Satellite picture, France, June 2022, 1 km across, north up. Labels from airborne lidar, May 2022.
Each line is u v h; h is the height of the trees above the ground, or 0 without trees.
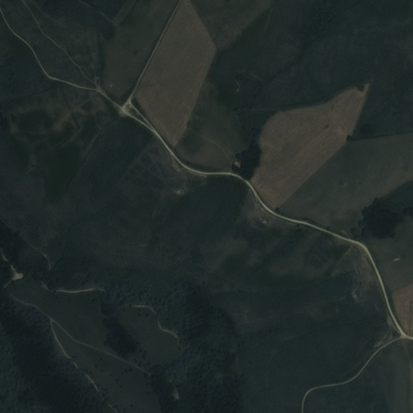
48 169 0
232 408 34
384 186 0
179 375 23
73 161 0
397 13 0
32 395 23
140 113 0
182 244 0
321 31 13
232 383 36
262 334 9
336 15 12
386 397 0
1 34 0
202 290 10
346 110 0
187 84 0
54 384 31
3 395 10
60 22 0
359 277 0
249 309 0
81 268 8
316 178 0
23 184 0
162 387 20
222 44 0
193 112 0
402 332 0
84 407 18
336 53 0
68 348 0
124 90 0
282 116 0
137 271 8
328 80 0
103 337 0
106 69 0
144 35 0
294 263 0
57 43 0
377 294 0
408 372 0
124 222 0
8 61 6
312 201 0
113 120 0
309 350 0
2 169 0
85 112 0
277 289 0
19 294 0
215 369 18
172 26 0
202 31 0
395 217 27
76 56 0
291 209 0
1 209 0
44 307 0
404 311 0
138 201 0
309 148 0
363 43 0
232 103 0
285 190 0
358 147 0
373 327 0
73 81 0
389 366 0
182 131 0
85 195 0
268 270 0
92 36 0
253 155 27
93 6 6
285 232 0
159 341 0
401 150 0
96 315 0
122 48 0
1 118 8
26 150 0
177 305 7
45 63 0
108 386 0
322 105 0
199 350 14
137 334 0
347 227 0
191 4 0
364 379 0
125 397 0
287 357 0
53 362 10
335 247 0
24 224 0
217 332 27
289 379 0
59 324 0
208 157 0
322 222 0
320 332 0
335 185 0
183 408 19
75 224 6
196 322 28
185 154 0
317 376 0
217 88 0
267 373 0
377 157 0
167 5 0
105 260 0
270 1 0
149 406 0
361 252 0
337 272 0
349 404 0
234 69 0
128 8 0
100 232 0
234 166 10
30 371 32
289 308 0
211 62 0
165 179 0
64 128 0
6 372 13
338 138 0
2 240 12
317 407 0
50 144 0
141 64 0
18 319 29
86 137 0
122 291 20
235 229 0
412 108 0
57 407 32
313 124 0
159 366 6
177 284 16
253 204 0
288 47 0
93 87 0
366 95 0
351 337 0
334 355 0
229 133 0
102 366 0
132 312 0
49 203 0
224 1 0
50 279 9
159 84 0
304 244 0
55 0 11
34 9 0
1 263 19
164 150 0
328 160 0
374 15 0
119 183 0
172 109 0
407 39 0
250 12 0
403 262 0
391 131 0
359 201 0
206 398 23
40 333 21
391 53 0
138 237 0
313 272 0
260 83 8
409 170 0
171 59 0
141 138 0
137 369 0
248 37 0
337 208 0
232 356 10
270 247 0
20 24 0
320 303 0
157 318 7
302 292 0
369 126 17
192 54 0
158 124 0
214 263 0
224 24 0
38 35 0
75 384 7
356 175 0
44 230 0
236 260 0
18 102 0
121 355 7
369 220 22
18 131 0
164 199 0
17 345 17
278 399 0
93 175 6
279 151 0
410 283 0
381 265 0
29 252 0
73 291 0
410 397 0
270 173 0
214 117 0
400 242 0
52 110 0
